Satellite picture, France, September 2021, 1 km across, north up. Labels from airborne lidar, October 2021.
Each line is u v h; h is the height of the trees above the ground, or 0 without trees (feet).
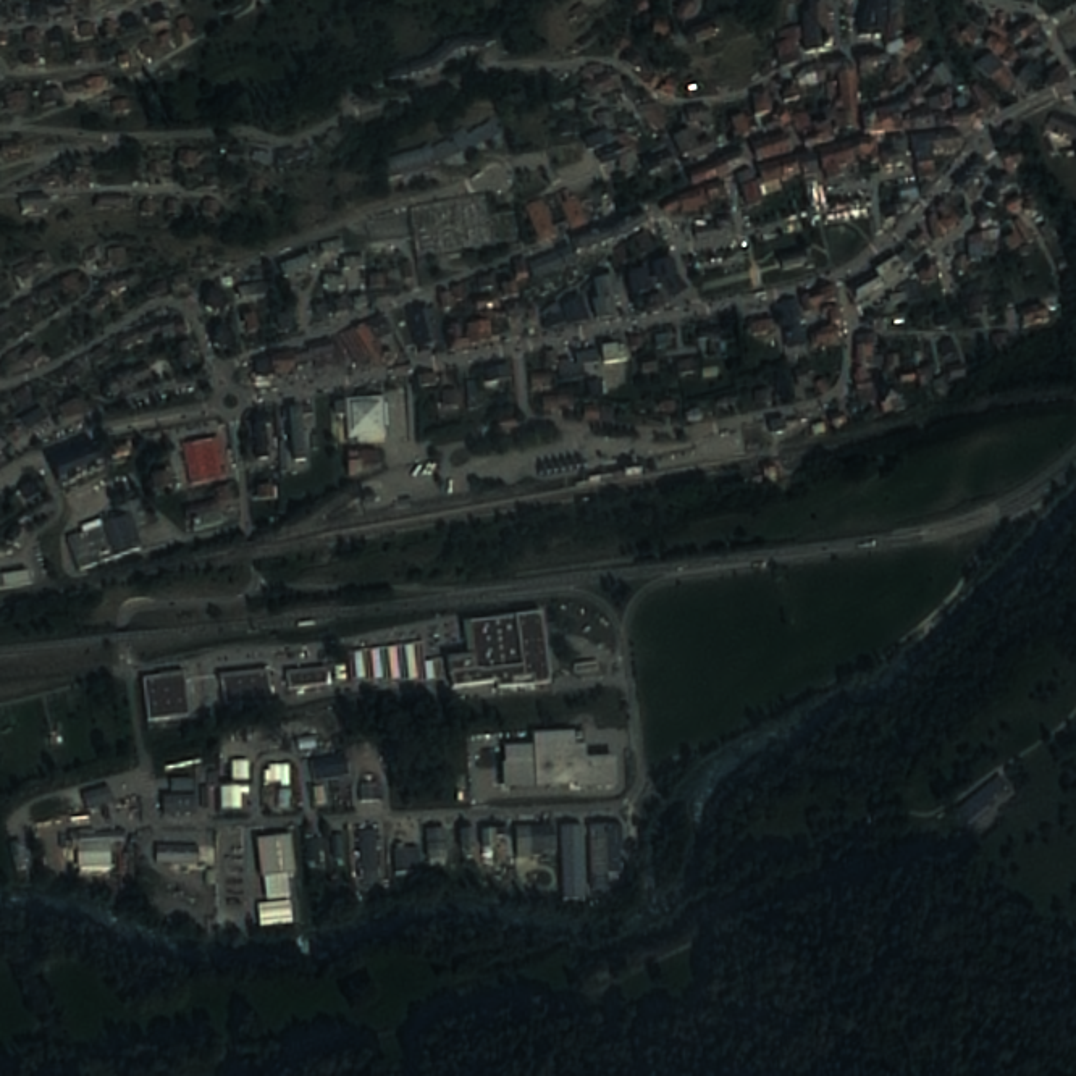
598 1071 77
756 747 0
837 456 36
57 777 72
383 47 54
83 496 0
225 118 73
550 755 0
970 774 30
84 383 0
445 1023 71
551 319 0
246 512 0
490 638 0
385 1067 82
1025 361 19
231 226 59
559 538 50
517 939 60
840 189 0
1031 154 46
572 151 0
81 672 0
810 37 0
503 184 0
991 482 0
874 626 0
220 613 22
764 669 0
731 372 42
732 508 66
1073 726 24
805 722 0
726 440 0
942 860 86
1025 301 0
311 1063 84
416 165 0
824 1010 71
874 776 84
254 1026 75
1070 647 81
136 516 0
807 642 0
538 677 0
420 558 0
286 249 0
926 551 0
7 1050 0
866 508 0
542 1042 73
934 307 31
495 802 0
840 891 70
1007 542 45
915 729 77
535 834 0
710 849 52
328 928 56
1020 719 0
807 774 90
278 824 0
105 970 86
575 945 50
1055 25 0
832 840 20
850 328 0
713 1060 100
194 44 0
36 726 0
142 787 0
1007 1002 67
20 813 0
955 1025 74
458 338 0
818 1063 81
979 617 45
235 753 0
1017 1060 79
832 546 0
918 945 61
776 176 0
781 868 84
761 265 0
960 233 0
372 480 0
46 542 0
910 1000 81
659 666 0
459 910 0
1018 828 0
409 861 0
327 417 0
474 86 52
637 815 0
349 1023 0
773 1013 60
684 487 47
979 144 0
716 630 0
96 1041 0
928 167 0
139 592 38
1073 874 0
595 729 0
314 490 0
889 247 0
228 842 0
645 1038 79
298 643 0
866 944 69
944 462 0
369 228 0
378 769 0
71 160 37
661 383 27
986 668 82
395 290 0
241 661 0
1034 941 89
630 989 0
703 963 50
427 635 0
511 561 69
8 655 0
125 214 0
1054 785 0
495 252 30
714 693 0
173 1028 0
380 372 0
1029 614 87
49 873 32
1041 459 0
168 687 0
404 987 0
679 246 0
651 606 0
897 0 0
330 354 0
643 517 58
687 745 0
